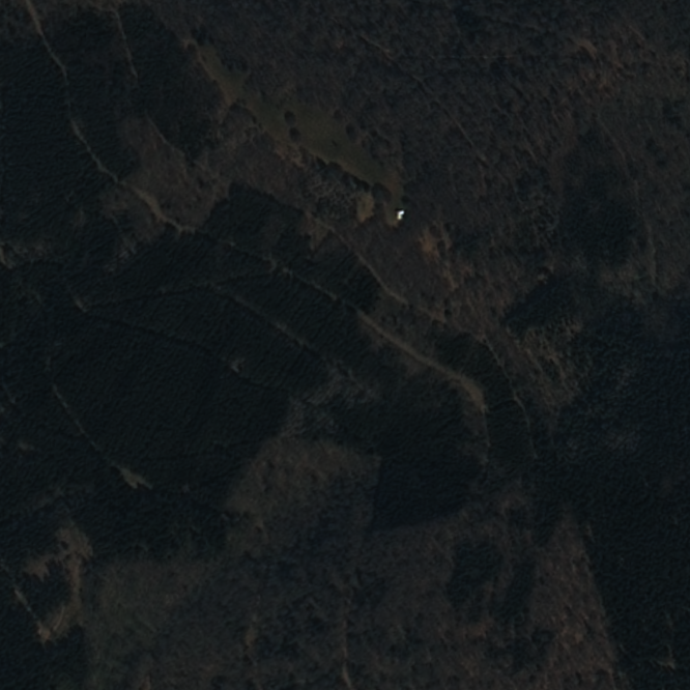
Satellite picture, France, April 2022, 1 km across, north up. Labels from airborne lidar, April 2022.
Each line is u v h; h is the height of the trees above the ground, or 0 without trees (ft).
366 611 74
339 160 0
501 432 35
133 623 53
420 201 32
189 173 30
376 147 51
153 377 68
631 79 131
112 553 78
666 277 102
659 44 95
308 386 57
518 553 53
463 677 72
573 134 24
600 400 84
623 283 76
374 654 69
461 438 50
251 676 85
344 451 67
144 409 69
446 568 69
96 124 56
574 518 60
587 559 58
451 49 22
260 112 0
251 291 60
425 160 39
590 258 66
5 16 62
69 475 73
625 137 106
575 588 67
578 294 63
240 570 94
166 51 47
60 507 83
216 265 66
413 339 53
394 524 51
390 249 43
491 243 77
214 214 54
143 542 69
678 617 76
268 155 44
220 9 69
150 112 45
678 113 74
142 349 48
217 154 45
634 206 59
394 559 78
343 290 51
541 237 22
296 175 52
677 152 100
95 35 22
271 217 52
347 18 25
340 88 31
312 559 87
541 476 73
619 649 82
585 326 44
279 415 59
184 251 48
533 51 38
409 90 73
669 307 67
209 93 23
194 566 94
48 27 42
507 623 62
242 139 31
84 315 53
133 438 72
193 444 53
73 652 75
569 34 68
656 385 84
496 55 78
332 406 58
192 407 60
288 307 59
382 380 54
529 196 78
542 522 65
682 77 109
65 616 0
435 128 65
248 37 79
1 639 70
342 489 67
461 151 61
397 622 67
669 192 110
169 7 65
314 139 0
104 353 71
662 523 74
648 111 114
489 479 39
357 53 46
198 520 94
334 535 82
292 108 0
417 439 52
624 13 106
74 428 58
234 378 73
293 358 63
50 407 68
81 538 0
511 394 32
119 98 52
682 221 123
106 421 60
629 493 86
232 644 93
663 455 75
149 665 89
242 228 58
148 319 64
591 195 78
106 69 56
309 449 85
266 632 38
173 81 46
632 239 50
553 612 68
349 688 57
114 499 33
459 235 58
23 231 59
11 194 53
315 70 68
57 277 68
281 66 72
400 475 61
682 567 85
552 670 76
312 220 23
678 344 41
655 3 99
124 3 24
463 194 56
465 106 75
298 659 87
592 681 53
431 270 36
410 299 36
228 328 50
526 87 82
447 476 52
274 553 48
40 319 65
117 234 61
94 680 85
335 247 49
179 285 67
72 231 62
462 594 69
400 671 24
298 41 48
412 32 78
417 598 74
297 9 66
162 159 24
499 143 49
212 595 110
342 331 55
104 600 89
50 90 61
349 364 60
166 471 62
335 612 79
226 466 58
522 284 56
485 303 49
